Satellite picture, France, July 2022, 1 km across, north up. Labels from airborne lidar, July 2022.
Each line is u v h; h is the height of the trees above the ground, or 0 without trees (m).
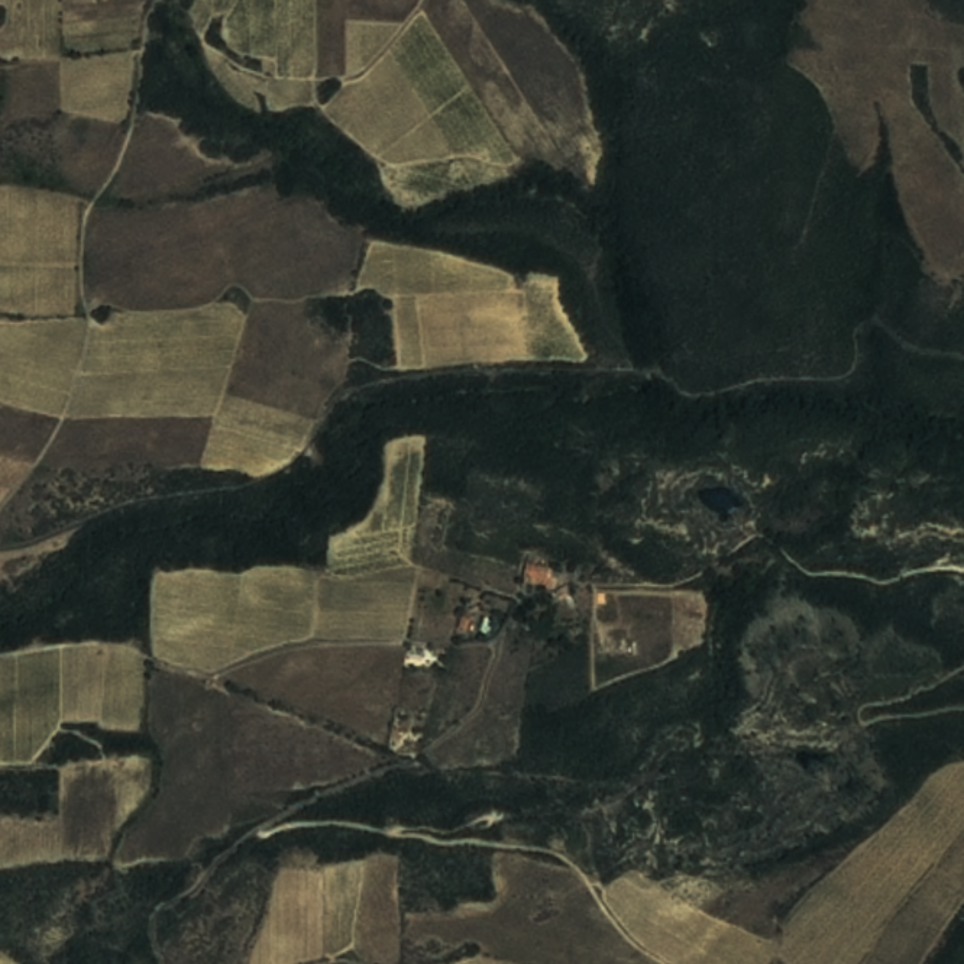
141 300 0
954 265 0
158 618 0
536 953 0
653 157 7
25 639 8
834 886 0
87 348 0
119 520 8
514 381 8
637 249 6
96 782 0
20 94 0
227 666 0
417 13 0
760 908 0
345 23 0
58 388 0
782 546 8
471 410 6
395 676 0
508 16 0
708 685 7
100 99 0
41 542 0
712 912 0
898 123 0
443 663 10
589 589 8
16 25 0
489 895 6
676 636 0
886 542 0
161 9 14
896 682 0
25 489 0
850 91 0
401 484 0
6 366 0
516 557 0
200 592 0
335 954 0
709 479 5
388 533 0
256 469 0
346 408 8
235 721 0
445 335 0
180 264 0
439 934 0
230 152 6
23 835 0
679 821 6
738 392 7
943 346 6
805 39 0
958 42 0
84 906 5
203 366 0
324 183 6
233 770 0
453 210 8
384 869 0
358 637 0
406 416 6
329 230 0
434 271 0
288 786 0
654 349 9
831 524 9
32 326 0
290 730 0
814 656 0
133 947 7
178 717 0
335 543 0
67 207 0
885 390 10
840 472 14
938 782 0
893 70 0
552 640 10
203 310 0
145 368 0
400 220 12
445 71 0
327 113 0
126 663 0
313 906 0
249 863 0
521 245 7
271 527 8
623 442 6
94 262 0
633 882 0
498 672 0
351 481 9
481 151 0
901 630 7
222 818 0
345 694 0
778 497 8
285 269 0
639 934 0
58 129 0
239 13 0
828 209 8
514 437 8
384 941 0
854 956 0
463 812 7
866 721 0
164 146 0
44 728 0
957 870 0
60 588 7
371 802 6
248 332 0
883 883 0
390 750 6
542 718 6
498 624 6
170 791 0
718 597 12
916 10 0
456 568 0
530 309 0
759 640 0
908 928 0
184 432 0
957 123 0
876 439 9
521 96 0
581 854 0
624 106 13
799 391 20
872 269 6
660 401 19
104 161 0
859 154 0
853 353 6
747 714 0
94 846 0
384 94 0
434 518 0
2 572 0
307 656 0
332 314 6
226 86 0
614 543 6
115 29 0
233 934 0
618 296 10
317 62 0
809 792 0
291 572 0
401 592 0
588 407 8
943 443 9
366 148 0
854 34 0
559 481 5
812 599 6
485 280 0
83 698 0
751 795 8
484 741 0
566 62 0
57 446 0
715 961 0
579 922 0
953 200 0
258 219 0
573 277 7
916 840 0
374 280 0
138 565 6
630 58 8
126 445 0
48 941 0
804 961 0
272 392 0
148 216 0
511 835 0
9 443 0
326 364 0
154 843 0
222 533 6
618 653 0
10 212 0
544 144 0
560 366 6
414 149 0
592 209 10
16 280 0
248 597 0
